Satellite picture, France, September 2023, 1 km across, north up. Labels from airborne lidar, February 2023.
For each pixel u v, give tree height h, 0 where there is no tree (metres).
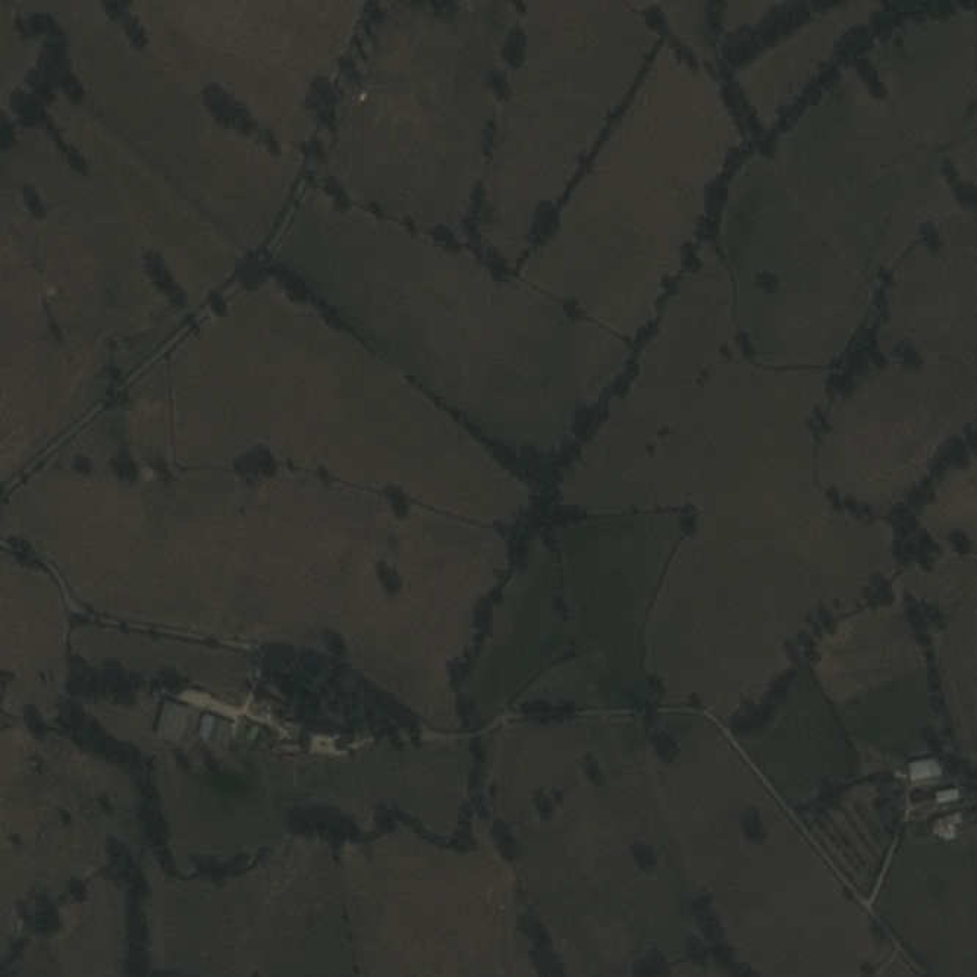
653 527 0
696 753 0
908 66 0
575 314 12
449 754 0
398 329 0
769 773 0
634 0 0
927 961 0
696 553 0
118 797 0
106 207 0
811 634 12
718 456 0
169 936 0
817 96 12
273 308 0
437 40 0
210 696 0
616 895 0
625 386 10
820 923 0
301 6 0
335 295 0
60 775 0
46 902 0
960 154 0
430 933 0
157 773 0
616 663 0
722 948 19
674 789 0
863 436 0
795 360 0
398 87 0
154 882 0
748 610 0
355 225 0
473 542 0
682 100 0
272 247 0
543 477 18
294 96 0
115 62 0
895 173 0
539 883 0
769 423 0
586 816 0
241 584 0
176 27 0
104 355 0
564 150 0
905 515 14
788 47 0
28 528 0
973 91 0
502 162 0
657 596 0
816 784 0
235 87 0
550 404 0
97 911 0
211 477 0
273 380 0
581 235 0
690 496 0
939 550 7
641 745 0
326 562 0
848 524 0
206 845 0
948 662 0
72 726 23
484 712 0
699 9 0
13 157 0
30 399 0
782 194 0
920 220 0
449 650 0
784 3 0
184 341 0
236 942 0
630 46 0
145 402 0
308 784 0
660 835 0
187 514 0
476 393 0
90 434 0
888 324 0
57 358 0
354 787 0
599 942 0
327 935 0
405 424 0
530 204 0
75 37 0
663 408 0
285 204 0
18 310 0
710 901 5
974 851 0
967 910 0
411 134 0
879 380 0
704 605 0
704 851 0
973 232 0
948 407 0
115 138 0
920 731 0
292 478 0
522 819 0
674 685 0
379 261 0
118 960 0
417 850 0
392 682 0
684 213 0
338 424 0
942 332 0
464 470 0
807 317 0
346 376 0
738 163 6
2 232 0
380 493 0
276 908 0
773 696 11
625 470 0
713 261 13
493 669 0
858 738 0
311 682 21
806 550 0
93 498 0
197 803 0
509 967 0
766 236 0
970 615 0
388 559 0
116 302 0
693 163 0
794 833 0
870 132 0
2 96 0
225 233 0
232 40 0
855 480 0
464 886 0
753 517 0
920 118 0
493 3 0
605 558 0
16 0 0
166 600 0
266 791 0
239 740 0
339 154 0
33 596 0
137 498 0
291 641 0
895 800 0
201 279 0
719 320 0
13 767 0
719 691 0
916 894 0
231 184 0
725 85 16
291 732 0
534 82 0
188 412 0
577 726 0
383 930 0
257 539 0
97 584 0
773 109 0
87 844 0
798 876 0
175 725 0
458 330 0
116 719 0
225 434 0
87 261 0
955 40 0
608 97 0
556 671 0
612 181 0
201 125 0
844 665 0
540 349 0
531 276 0
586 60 0
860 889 0
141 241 0
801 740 0
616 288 0
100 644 0
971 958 0
